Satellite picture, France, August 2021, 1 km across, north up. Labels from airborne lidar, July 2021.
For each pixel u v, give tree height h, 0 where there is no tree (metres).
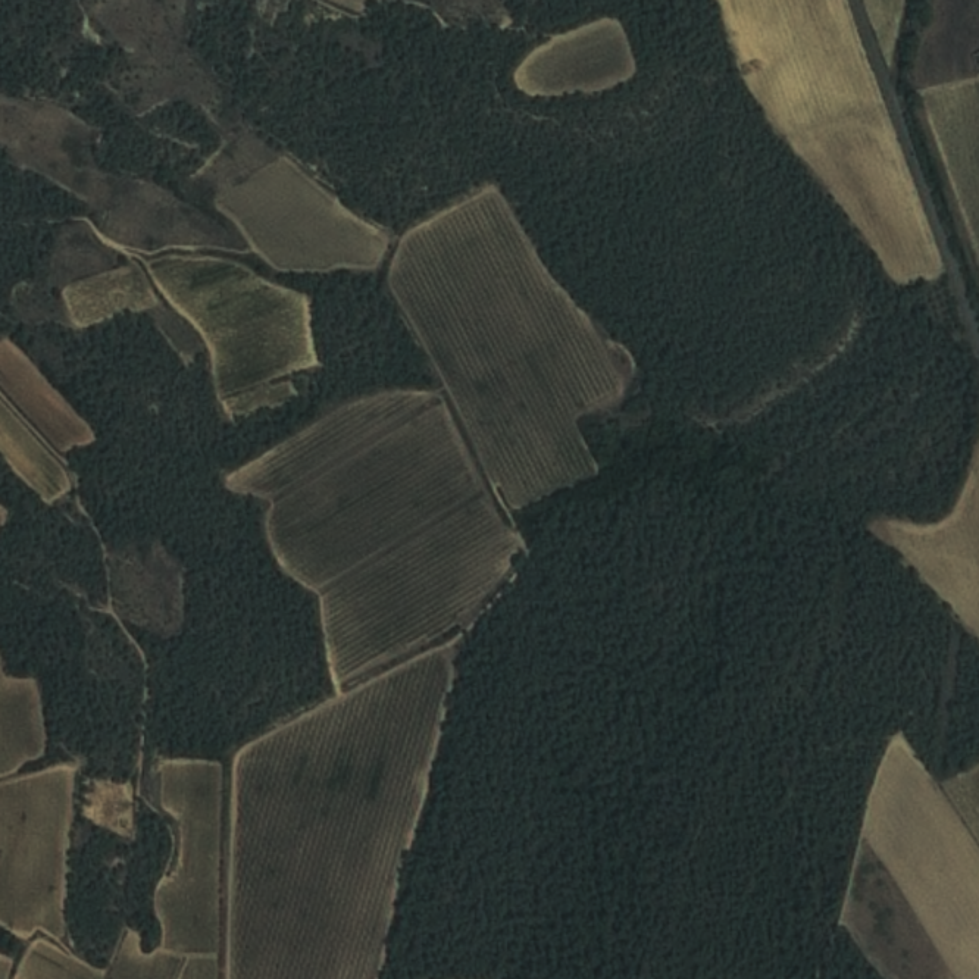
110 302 0
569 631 14
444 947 16
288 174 0
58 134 0
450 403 0
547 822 14
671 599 11
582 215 11
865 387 12
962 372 20
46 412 0
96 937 10
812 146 0
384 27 9
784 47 0
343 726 0
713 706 9
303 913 0
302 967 0
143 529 12
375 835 0
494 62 10
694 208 8
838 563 10
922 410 8
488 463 0
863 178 0
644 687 13
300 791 0
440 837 12
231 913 0
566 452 0
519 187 12
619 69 0
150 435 10
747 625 12
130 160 10
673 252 7
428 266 0
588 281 11
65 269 0
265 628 10
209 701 9
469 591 0
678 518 13
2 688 0
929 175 8
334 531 0
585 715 10
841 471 15
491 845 12
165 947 0
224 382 0
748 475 16
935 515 14
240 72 13
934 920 0
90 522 9
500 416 0
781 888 10
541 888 13
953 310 6
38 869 0
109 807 0
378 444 0
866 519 17
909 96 12
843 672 12
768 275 8
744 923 12
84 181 0
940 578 0
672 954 14
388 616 0
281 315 0
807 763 15
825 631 12
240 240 0
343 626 0
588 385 0
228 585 10
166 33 0
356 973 0
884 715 13
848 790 10
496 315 0
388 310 13
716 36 11
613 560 12
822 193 6
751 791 15
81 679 11
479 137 15
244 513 12
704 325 9
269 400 0
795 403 11
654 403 13
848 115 0
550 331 0
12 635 11
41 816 0
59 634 13
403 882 11
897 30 0
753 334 13
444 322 0
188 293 0
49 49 11
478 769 16
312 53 9
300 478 0
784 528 12
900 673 11
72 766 0
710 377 15
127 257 7
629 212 11
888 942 0
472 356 0
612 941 15
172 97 0
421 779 0
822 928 15
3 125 0
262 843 0
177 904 0
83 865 10
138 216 0
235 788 0
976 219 0
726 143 10
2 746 0
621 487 13
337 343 7
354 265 0
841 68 0
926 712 15
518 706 13
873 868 0
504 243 0
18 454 0
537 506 11
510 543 0
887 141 0
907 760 0
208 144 8
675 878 10
